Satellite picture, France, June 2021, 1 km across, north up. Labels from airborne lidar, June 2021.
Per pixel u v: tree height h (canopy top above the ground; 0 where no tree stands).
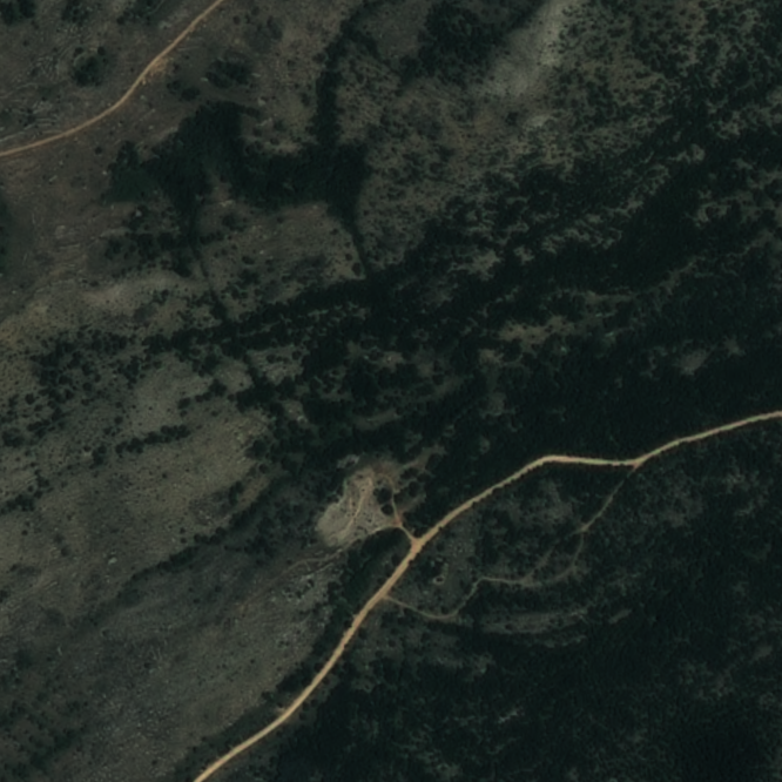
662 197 11
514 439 9
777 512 7
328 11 0
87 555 0
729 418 6
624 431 7
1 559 0
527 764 7
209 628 0
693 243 11
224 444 0
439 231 10
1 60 0
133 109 0
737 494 6
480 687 9
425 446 6
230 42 0
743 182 11
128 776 0
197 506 0
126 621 0
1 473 0
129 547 0
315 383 7
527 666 6
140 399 0
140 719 0
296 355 10
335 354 10
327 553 0
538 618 0
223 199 0
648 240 6
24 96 0
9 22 7
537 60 0
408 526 7
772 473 6
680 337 9
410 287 7
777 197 10
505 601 6
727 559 7
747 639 7
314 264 6
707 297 8
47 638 0
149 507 0
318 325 9
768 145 12
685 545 8
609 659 7
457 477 5
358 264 8
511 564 6
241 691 0
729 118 8
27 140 0
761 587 7
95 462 6
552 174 6
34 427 8
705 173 11
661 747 9
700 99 9
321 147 8
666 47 8
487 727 6
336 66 7
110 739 0
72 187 0
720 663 7
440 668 8
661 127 8
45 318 0
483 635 8
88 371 8
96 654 0
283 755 10
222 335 9
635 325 7
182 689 0
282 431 9
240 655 0
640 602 8
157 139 0
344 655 6
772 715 9
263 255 0
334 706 9
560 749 7
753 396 6
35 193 0
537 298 6
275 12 0
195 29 0
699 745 10
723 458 7
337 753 7
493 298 9
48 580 0
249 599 0
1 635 0
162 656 0
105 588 0
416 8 0
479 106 0
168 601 0
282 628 0
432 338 9
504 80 0
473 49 7
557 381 8
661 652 7
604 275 12
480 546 7
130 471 0
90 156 0
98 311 0
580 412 10
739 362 9
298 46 0
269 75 0
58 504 0
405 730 6
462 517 0
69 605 0
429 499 10
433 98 0
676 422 8
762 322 12
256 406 6
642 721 6
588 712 8
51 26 0
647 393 8
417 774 9
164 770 0
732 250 8
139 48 0
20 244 0
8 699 0
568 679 10
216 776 0
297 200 9
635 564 11
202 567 0
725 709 9
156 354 8
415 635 0
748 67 8
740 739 13
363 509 0
